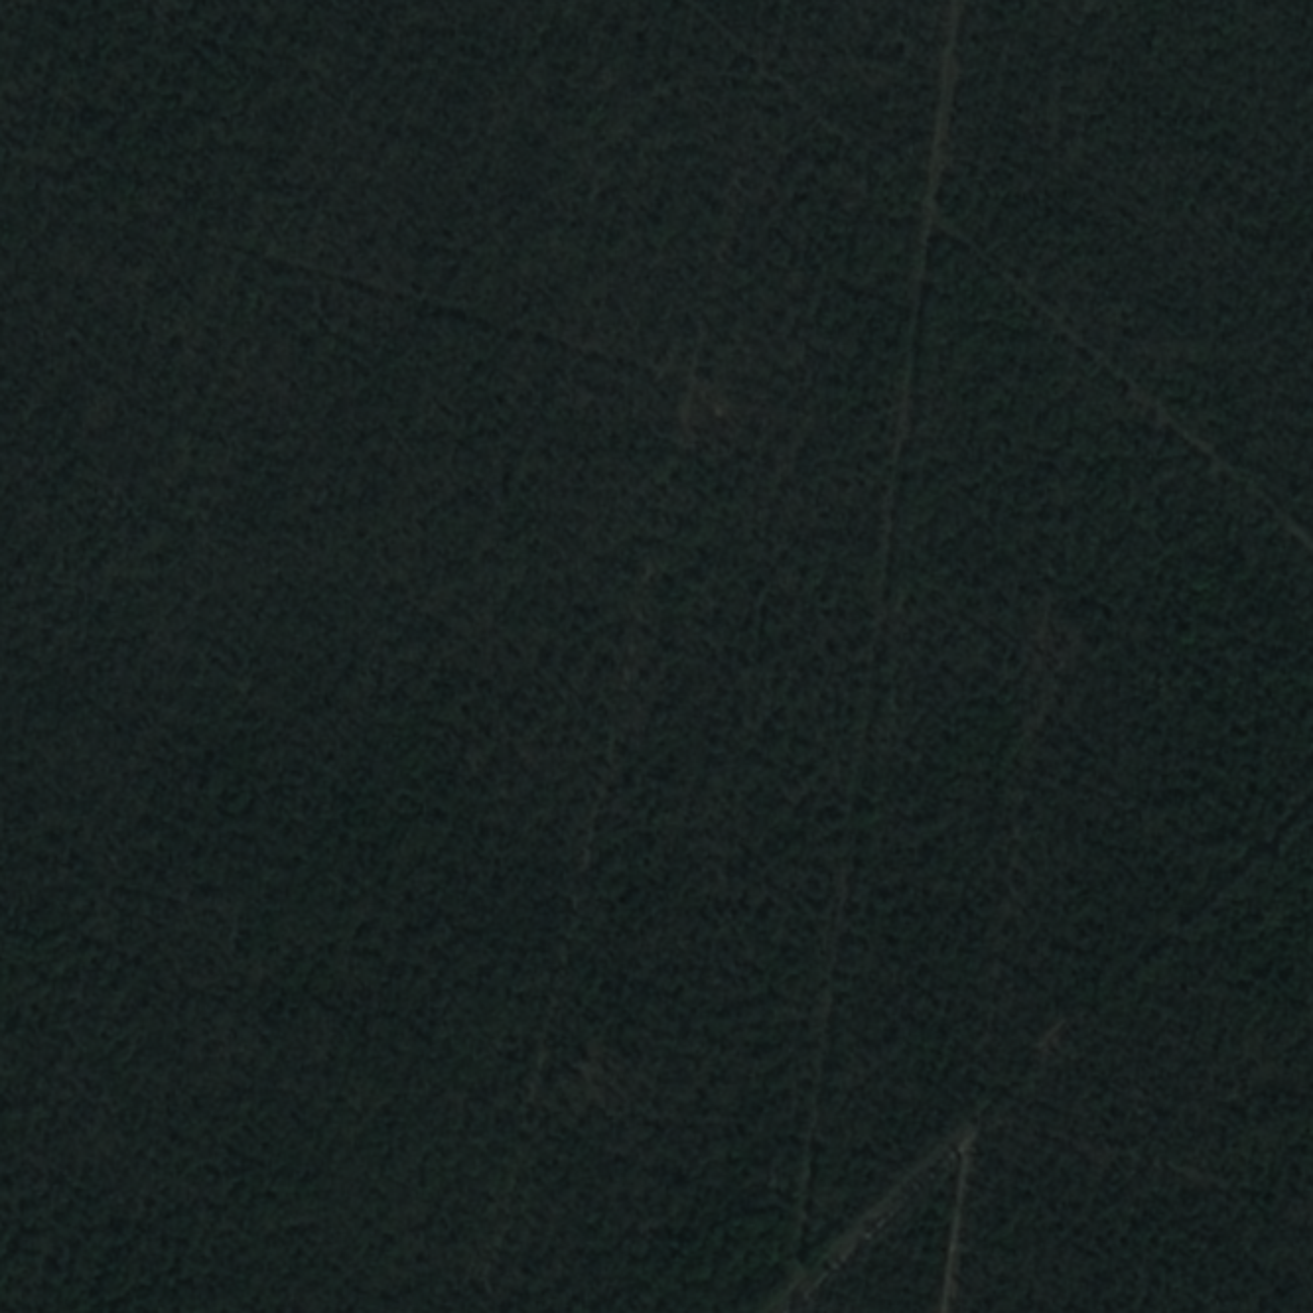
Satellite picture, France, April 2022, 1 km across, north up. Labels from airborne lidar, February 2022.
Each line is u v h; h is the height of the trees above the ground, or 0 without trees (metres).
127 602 11
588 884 16
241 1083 18
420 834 16
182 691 14
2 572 7
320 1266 10
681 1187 17
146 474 17
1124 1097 8
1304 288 14
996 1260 18
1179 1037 8
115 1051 17
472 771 15
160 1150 15
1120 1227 12
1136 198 16
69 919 11
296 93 15
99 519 16
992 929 16
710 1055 17
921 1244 16
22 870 17
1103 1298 17
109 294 19
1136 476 19
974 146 13
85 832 13
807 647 16
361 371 14
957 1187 16
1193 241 17
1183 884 14
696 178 13
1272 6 17
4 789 14
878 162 13
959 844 18
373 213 14
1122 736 14
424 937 14
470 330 14
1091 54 13
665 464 22
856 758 16
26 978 20
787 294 15
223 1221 20
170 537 9
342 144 12
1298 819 15
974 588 14
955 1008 11
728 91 15
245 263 12
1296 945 17
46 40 13
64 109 16
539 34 14
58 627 12
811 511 17
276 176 18
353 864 15
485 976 16
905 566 18
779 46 17
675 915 13
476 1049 20
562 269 16
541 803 17
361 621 14
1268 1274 17
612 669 17
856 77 13
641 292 14
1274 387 14
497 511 17
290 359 14
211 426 13
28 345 13
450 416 13
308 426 15
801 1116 8
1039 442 11
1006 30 12
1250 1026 10
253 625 13
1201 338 20
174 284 17
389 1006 12
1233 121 15
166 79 17
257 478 13
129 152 17
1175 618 19
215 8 17
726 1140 20
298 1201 15
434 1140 18
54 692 11
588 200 13
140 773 16
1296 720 15
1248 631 12
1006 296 19
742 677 19
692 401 0
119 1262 12
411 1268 17
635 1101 16
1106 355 16
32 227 14
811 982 15
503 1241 16
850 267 13
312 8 14
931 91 12
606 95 18
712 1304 17
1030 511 11
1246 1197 17
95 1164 12
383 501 17
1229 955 16
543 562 17
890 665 15
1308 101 16
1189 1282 9
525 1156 21
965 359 18
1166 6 13
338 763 14
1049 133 15
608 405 13
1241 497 18
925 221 7
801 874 16
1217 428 10
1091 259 10
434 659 17
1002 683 14
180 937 13
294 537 13
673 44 16
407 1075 12
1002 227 16
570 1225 10
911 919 17
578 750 14
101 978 16
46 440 13
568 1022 11
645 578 18
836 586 16
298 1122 15
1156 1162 15
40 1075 13
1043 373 16
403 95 13
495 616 14
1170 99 12
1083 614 14
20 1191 16
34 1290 20
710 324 14
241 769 9
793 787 14
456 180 15
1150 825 14
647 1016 14
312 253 14
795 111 16
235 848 14
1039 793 15
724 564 18
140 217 16
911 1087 16
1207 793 16
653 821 12
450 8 14
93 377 15
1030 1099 10
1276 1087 6
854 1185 15
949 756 17
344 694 14
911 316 8
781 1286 18
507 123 13
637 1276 17
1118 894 17
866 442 13
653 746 10
